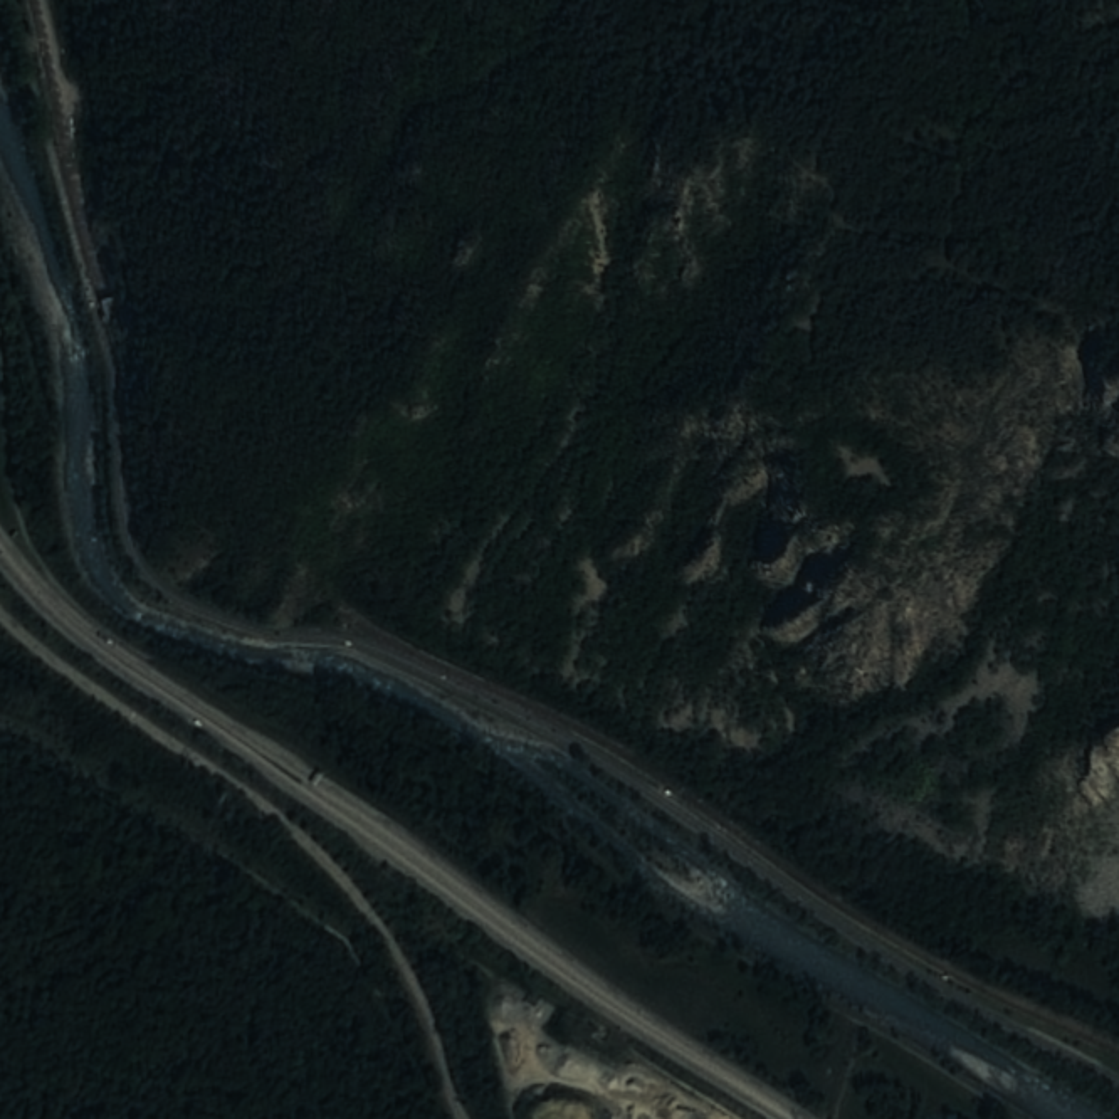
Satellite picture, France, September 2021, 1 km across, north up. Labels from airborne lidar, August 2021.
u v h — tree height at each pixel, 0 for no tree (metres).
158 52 14
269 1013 23
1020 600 13
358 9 7
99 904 13
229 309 10
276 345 10
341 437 8
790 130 16
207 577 10
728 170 8
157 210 10
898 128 16
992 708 11
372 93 7
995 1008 0
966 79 15
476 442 10
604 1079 0
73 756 9
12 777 17
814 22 18
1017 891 13
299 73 9
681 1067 0
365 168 6
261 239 12
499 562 6
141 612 0
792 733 11
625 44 13
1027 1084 0
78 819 15
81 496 0
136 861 16
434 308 10
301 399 11
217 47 9
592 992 0
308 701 6
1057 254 16
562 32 14
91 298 0
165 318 9
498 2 7
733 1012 0
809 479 8
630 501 11
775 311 6
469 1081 22
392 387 9
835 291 10
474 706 0
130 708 7
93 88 7
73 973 12
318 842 7
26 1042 26
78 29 13
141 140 11
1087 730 14
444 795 10
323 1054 25
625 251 10
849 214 8
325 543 9
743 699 7
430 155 6
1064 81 13
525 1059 0
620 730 10
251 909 25
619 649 12
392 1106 10
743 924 0
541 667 7
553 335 8
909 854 13
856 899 6
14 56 25
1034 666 8
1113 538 7
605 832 0
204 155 13
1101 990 0
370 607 17
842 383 7
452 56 8
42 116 23
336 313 10
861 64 10
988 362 8
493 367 7
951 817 11
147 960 25
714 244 6
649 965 0
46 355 12
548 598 12
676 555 17
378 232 8
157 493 10
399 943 7
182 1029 28
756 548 6
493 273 10
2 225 7
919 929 17
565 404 11
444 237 11
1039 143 17
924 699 8
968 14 13
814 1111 10
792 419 6
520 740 0
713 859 18
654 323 12
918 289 13
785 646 6
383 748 15
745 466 16
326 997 17
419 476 14
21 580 0
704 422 7
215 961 25
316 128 10
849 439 11
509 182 9
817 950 0
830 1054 0
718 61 14
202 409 10
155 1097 24
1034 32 12
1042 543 9
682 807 0
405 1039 10
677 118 19
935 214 15
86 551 0
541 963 0
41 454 14
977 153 10
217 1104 24
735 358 9
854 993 0
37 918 22
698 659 6
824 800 15
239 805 13
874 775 14
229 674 7
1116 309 8
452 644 15
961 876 13
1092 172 15
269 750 0
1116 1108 15
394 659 0
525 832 20
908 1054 0
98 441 11
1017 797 9
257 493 7
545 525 12
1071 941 16
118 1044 23
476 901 0
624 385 10
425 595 17
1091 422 7
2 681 17
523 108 9
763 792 19
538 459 11
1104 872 0
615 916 19
